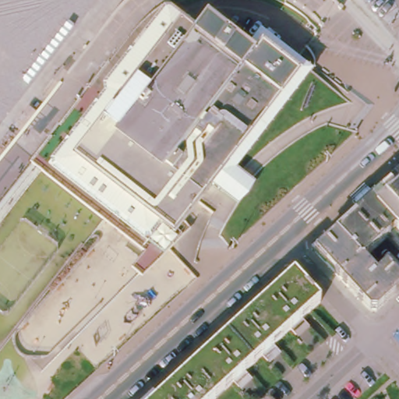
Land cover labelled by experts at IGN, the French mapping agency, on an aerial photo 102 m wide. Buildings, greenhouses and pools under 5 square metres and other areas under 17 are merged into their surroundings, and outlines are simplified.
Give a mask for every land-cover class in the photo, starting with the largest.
<instances>
[{"label":"impervious surface","instance_id":"1","mask_svg":"<svg viewBox=\"0 0 399 399\"><path fill-rule=\"evenodd\" d=\"M302 16H309L313 20L309 25H304V28L324 44L320 58L313 59L312 62L313 70L343 98V103L302 118L301 122L295 123L274 137L256 156L246 154L240 161V167L256 178L262 173L263 165L270 164L274 157L279 156L293 143L323 126L349 131L348 139L338 147L327 148L324 151V161L307 173L293 189L288 190L284 198L276 201L267 214H263L240 237H224L226 224L231 220L240 201L217 182H210L207 189L209 199L196 201L195 217L189 215L179 228H176L171 245L162 246V256L147 270L140 271L136 267V254L126 245L131 243L142 251L145 246L129 237L95 207L79 198L67 185L42 168L50 162L51 154L55 153L62 140L78 123L79 118L94 106L95 100L103 94L115 67L128 55L129 48L136 44L140 34L147 30L157 14L167 5V0H0V243L19 226L16 220L9 217L8 212L12 206H16L17 199L37 176H44L79 206L94 215L100 221V231L103 232L97 242L94 238H89L81 246L34 307L25 304L23 310H20L16 305H12L11 309L0 313V321L5 326L12 324L19 327L20 338L16 340L17 349L14 352L25 363V374L19 379L12 374L11 360L5 358L0 363V399H44L45 394L50 393L53 388L51 379L76 349L83 352L86 360L94 365V373L64 399H142L151 388L157 387L168 374L173 373L176 366L181 365L185 358L214 334L215 330L220 329L226 320L242 309L246 302L251 301L265 285L270 284L291 262L296 260L301 263L305 270L309 271L310 276L321 285V302L318 307L326 310L337 321V329L332 337H329L326 330L313 320L310 313L305 315L310 329L298 337L302 343L313 348L307 358L302 360V365H285L277 343L268 349V360L274 362L282 377L267 394L263 393L260 387H252V376L248 369L238 377V387L248 388V394L260 399H354L362 396L363 391L368 390L371 383L376 382L383 374L388 376V379L380 385L376 394H383L385 399H399V296L397 302H390L377 312H369L363 305L358 307L351 299V293L332 279L334 271L315 248V242L316 238L326 232L329 226L337 223L341 215L354 204L355 196L360 190L374 187L382 181L383 176L388 173L394 175L399 171V0H288ZM379 243L374 246L373 251L369 252L376 260L391 254L394 262L399 263V231L383 235L377 240Z\"/></svg>","mask_w":399,"mask_h":399},{"label":"building","instance_id":"2","mask_svg":"<svg viewBox=\"0 0 399 399\"><path fill-rule=\"evenodd\" d=\"M167 5L157 14L147 30L140 34L136 44L129 48L128 55L115 67L103 94L95 100L94 106L79 118L78 123L62 140L55 153L51 154L50 162L42 168L67 185L79 198L95 207L129 237L145 246L142 251L131 243L126 245L136 254V267L140 271L147 270L162 256V246L171 245L176 228H179L189 215L195 217L196 201L209 199L207 189L210 182H217L240 201L243 196L248 195L256 178L240 167V161L246 154L284 108L291 95L295 94L305 76L313 70L312 62L291 50L279 37L274 36L271 30L265 34L256 33L251 36L210 3L204 5L198 16L190 17L187 12L176 6L179 0H167ZM399 231V171L394 175L388 173L383 176L382 181L374 187L360 190L355 196L354 204L341 215L337 223L329 226L326 232L316 238L315 242V248L334 271L332 279L351 293V299L358 307L363 305L369 312H377L390 302H397L399 296V263L394 262L391 254L376 260L369 252L373 251L374 246L379 243L377 240L383 235ZM9 217L16 220L19 226L0 243V313L11 309L12 305H16L20 310H23L25 304L34 307L81 246L89 238H94L97 242L103 232L100 231V221L94 215L79 206L44 176H37L17 199L16 206H12L8 212ZM321 302V285L310 276L309 271L305 270L301 263L296 260L291 262L270 284L265 285L251 301L246 302L242 309L226 320L220 329L215 330L214 334L185 358L181 365L176 366L173 373L168 374L157 387L151 388L142 399H218L229 388L238 387V377L248 369L256 365L260 358L268 360V349L277 343L287 334L298 337L310 329L305 315L310 313L318 307ZM20 338L19 327L12 324L5 326L0 321V363L5 358L11 360L12 374L19 379L25 374V363L14 352L17 349L16 340Z\"/></svg>","mask_w":399,"mask_h":399},{"label":"herbaceous vegetation","instance_id":"3","mask_svg":"<svg viewBox=\"0 0 399 399\"><path fill-rule=\"evenodd\" d=\"M210 3L251 36L256 33L265 34L271 30L274 36L279 37L291 50L312 62L313 59L320 58L324 44L304 28V25H309L313 20L309 16H302L288 0H179L176 6L187 12L190 17L198 16L204 5ZM343 103V98L313 70L305 76L295 94L291 95L284 108L246 154L256 156L274 137L295 123L301 122L302 118ZM349 131L323 126L293 143L279 156L274 157L270 164L263 165L262 173L256 178L248 195L243 196L240 201L231 220L226 224L224 237H240L263 214H267L276 201L284 198L288 190L293 189L307 173L324 161V151L327 148L338 147L348 139ZM313 320L326 330L329 337H332L337 329V321L326 310L318 307L310 313ZM285 365H302V360L307 358L313 348L302 343L298 337L287 334L277 343ZM94 373V365L86 360L83 352L76 349L51 379L53 388L50 393L45 394L44 399H64ZM252 376V387H260L263 393L267 394L282 377L274 362L268 360L260 358L256 365L248 369ZM388 379V376L383 374L376 382L371 383L368 390L363 391L362 396L354 399H385L383 394H376L380 385ZM218 399H260L248 394V388L238 387L229 388Z\"/></svg>","mask_w":399,"mask_h":399}]
</instances>
